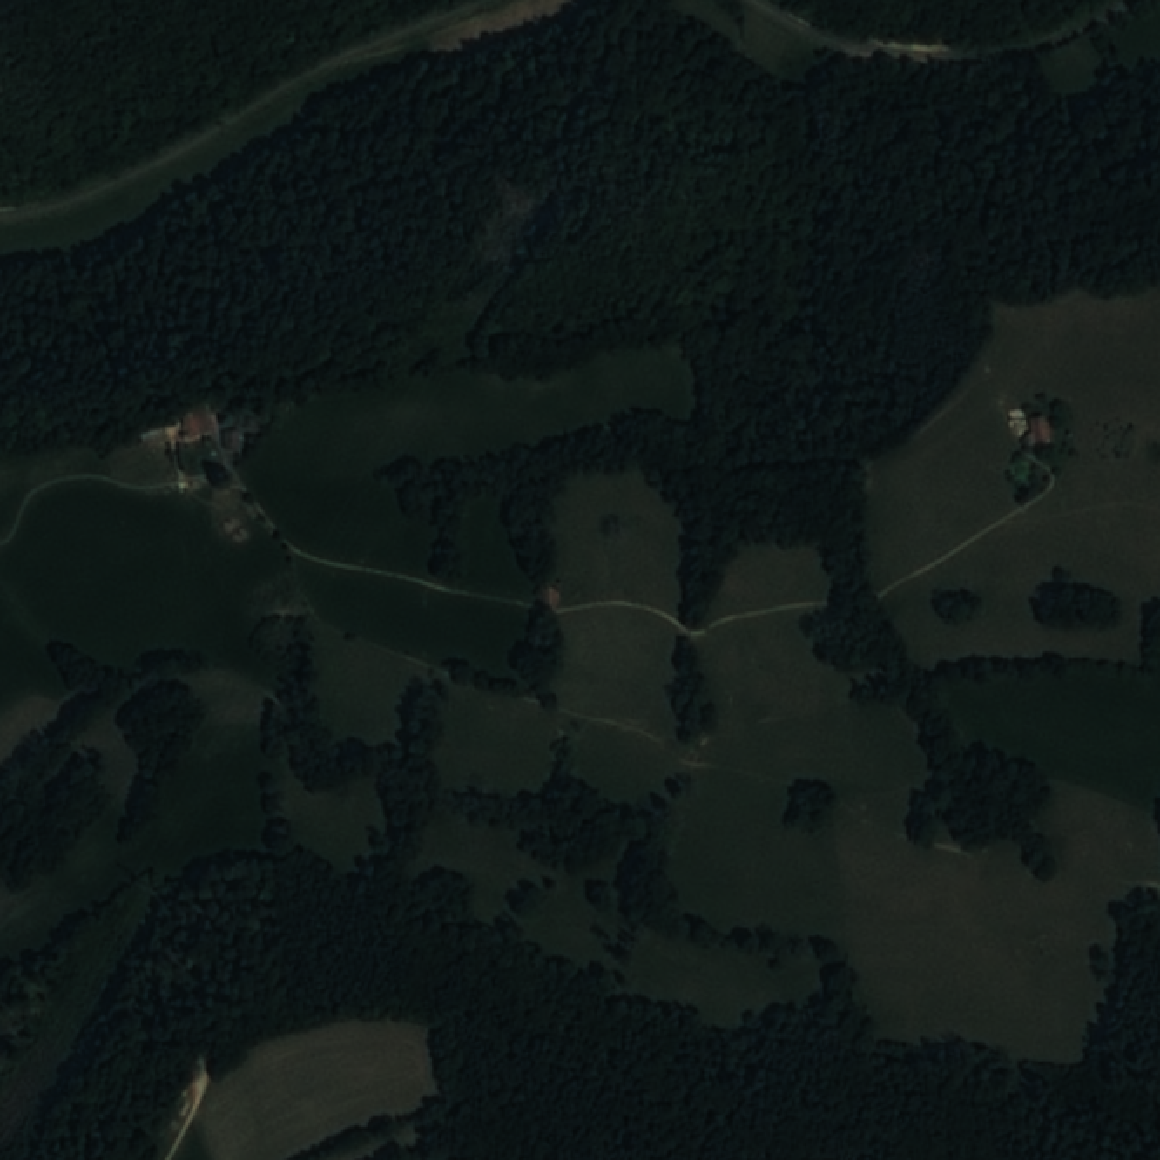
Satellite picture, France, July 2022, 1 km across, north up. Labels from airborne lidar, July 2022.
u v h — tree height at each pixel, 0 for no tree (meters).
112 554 0
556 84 36
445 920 24
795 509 28
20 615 0
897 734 0
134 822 15
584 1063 20
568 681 0
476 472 28
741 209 30
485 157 27
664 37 24
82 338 32
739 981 0
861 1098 21
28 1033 8
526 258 6
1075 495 0
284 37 19
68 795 22
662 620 0
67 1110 14
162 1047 25
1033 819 14
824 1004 17
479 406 0
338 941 24
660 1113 25
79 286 31
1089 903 0
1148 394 0
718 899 0
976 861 0
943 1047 8
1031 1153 24
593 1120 21
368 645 0
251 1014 21
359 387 15
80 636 0
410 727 21
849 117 30
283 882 22
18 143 17
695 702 26
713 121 33
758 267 25
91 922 18
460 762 0
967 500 0
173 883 13
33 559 0
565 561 0
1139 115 32
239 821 0
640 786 0
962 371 22
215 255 29
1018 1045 0
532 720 0
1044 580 0
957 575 0
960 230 34
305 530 0
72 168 21
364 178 29
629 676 0
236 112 17
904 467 0
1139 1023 24
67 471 0
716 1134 27
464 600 0
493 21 0
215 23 22
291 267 32
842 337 27
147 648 0
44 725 0
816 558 0
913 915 0
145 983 9
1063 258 32
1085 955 0
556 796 21
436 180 31
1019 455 6
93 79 18
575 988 20
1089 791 0
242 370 30
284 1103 0
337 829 0
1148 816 0
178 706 21
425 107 31
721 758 0
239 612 0
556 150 30
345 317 32
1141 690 0
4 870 11
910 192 26
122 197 0
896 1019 0
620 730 0
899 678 21
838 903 0
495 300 8
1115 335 0
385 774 26
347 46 13
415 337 24
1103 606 25
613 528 20
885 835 0
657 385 0
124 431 19
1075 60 0
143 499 0
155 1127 23
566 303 24
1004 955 0
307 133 18
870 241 28
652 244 18
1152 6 23
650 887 36
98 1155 23
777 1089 27
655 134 27
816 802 20
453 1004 18
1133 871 0
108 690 26
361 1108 0
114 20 22
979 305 23
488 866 0
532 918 25
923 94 21
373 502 0
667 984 0
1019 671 17
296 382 14
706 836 0
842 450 31
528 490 28
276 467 0
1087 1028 0
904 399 31
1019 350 0
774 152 30
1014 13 31
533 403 0
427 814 23
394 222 32
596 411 0
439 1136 21
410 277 40
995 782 28
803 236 29
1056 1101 9
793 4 23
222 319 32
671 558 0
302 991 18
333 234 34
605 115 28
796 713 0
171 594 0
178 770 11
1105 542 0
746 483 28
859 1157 14
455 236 25
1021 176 36
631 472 26
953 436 0
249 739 0
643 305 28
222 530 0
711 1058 16
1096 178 30
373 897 24
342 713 0
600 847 29
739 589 0
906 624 0
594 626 0
